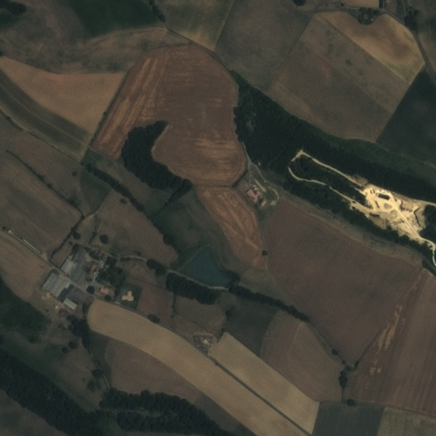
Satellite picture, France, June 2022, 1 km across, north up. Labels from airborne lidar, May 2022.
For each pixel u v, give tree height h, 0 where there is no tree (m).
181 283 19
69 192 0
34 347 0
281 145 13
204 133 0
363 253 0
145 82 0
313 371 0
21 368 20
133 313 0
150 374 0
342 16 0
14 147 0
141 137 18
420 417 0
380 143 0
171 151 0
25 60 0
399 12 0
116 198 0
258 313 0
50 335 0
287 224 0
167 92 0
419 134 0
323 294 0
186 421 24
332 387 0
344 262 0
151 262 15
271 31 0
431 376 0
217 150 0
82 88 0
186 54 0
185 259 0
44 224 0
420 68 0
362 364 0
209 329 0
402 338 0
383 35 0
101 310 0
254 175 0
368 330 0
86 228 0
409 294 0
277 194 0
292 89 0
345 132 0
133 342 0
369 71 0
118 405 11
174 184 17
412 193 15
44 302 0
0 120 0
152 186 21
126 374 0
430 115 0
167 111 0
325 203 10
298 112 0
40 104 0
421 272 0
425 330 0
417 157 0
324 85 0
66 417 19
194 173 0
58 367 0
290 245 0
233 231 0
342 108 0
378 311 0
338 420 0
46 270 0
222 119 0
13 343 0
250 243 0
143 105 0
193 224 0
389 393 0
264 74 0
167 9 0
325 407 0
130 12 0
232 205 0
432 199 12
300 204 0
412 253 0
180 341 0
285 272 0
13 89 0
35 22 0
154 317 15
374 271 0
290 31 0
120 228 0
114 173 0
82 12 0
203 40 0
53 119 0
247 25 0
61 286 0
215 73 0
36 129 0
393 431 0
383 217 0
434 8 0
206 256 0
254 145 16
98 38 0
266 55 0
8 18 0
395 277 0
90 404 0
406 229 0
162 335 0
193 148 0
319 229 0
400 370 0
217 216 0
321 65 0
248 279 0
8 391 14
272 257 0
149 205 0
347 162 14
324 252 0
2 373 20
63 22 0
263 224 0
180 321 0
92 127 0
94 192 0
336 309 0
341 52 0
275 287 0
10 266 0
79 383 0
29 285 0
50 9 0
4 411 0
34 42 0
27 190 0
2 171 0
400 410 0
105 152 0
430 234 18
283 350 0
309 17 0
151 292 0
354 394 0
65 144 0
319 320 0
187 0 0
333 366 0
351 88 0
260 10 0
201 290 16
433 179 0
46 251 0
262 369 0
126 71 0
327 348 0
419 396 0
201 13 0
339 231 0
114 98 0
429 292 0
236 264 0
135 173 19
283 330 0
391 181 16
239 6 0
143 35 0
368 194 0
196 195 0
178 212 0
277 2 0
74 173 8
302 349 0
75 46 0
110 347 0
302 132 15
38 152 0
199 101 0
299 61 0
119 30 0
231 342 0
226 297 0
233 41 0
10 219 0
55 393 21
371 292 0
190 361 0
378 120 0
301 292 0
